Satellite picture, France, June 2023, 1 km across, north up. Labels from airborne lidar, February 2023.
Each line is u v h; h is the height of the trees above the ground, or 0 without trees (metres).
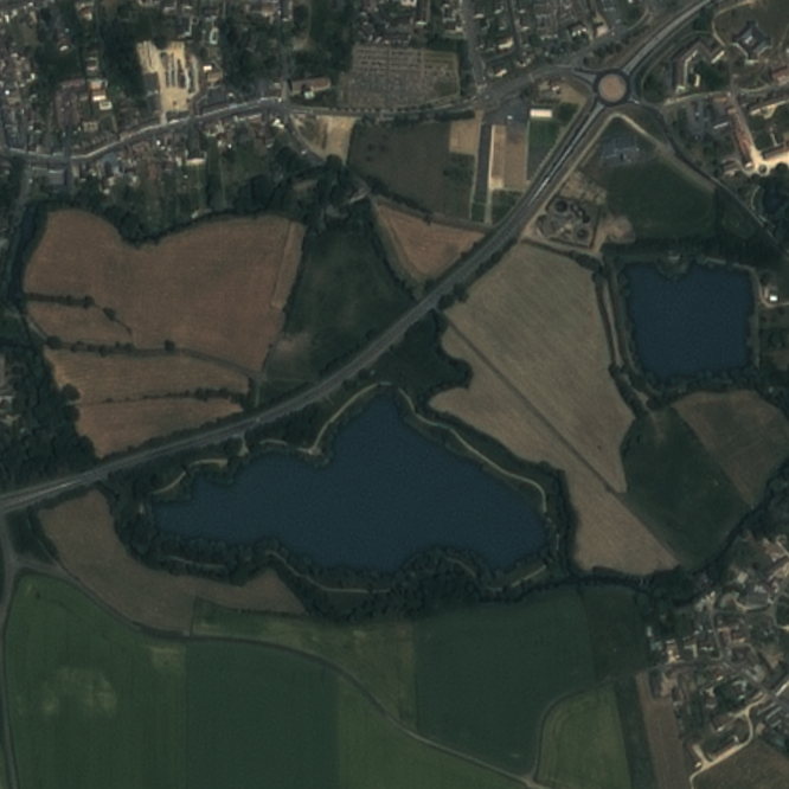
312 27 0
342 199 19
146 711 0
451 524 0
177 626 0
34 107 8
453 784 0
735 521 0
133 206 7
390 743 0
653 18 0
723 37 0
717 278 0
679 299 0
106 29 10
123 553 0
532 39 10
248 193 13
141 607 0
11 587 0
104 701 0
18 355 14
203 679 0
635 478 0
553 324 0
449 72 0
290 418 10
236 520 0
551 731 0
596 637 0
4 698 0
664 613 16
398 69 0
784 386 12
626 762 0
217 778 0
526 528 0
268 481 0
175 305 0
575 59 0
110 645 0
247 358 0
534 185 0
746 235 0
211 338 0
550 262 0
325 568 0
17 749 0
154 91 0
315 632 0
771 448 0
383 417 0
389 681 0
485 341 0
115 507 8
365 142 0
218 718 0
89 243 0
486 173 0
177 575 17
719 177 13
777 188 17
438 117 6
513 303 0
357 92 0
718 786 0
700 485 0
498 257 11
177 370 0
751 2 0
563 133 0
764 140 0
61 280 0
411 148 0
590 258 11
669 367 0
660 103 0
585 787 0
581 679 0
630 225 0
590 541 0
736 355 0
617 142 0
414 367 0
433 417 11
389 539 0
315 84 0
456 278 0
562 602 0
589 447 0
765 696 0
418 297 12
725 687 9
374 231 14
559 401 0
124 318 0
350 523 0
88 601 0
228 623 0
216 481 11
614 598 0
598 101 0
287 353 0
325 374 10
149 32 0
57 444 19
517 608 0
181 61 0
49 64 8
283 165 11
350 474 0
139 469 10
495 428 0
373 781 0
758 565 7
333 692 0
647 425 0
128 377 0
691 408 0
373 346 0
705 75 9
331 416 0
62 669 0
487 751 0
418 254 0
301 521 0
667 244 6
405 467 0
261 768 0
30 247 11
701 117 0
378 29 10
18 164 15
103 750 0
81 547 0
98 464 9
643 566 0
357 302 0
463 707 0
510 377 0
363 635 0
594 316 0
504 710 0
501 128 0
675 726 0
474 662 0
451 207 0
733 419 0
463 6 0
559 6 0
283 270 0
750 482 0
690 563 0
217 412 0
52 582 0
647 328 0
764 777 0
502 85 0
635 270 0
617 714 0
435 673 0
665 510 0
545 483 0
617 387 0
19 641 0
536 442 0
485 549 0
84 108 0
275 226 0
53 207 12
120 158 0
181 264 0
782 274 0
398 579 16
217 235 0
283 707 0
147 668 0
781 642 0
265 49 21
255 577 7
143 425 0
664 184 0
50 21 11
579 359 0
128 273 0
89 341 0
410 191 0
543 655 0
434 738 0
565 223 0
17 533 0
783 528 11
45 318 0
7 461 20
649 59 0
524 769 0
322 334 0
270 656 0
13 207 19
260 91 0
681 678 0
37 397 7
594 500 0
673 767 0
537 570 0
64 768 0
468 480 0
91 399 0
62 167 0
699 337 0
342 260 0
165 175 10
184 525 0
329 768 0
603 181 0
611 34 0
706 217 0
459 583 16
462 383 8
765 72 0
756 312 0
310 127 0
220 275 0
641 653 0
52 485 0
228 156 7
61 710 0
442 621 0
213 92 0
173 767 0
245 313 0
